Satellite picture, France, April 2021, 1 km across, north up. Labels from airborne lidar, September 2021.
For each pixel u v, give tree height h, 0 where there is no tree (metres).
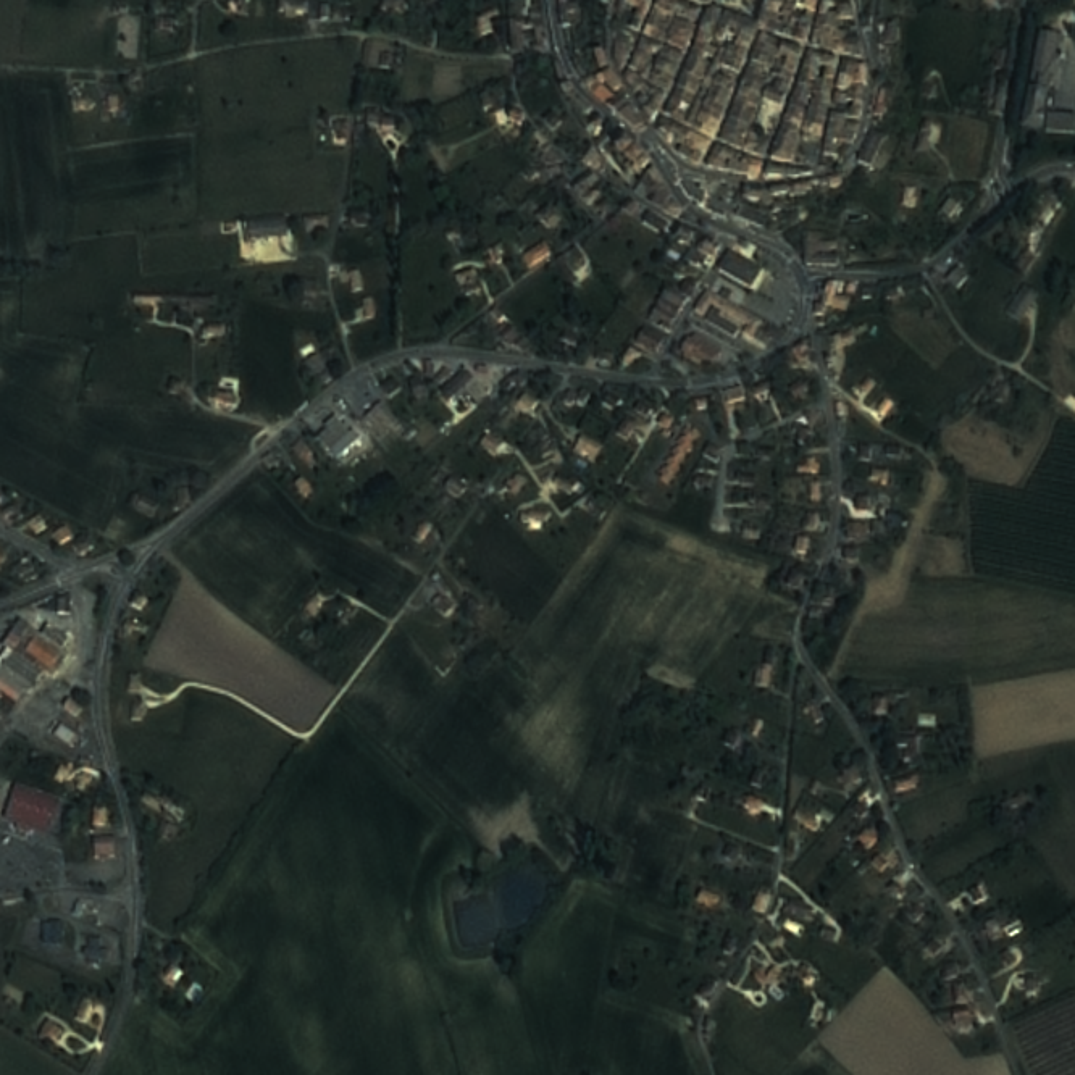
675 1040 0
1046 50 0
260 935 0
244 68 0
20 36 0
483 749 0
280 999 0
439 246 0
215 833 0
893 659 0
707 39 0
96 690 0
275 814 0
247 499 0
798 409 7
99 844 0
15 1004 6
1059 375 0
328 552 0
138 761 0
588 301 0
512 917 0
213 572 0
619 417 10
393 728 0
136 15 0
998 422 6
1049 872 0
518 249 0
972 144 0
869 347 0
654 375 0
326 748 0
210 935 0
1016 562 6
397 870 0
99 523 0
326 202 0
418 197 0
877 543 8
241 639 0
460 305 11
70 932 0
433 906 0
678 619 0
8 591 8
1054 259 0
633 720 16
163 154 0
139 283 0
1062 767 0
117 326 0
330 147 5
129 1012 0
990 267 0
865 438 0
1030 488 7
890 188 0
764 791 7
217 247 0
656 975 0
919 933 7
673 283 6
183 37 5
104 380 0
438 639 0
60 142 0
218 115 0
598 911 0
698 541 0
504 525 0
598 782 0
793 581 0
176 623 0
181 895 0
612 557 0
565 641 0
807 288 0
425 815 0
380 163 0
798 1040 0
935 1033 0
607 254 0
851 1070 0
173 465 0
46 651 0
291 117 0
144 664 0
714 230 0
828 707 8
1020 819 11
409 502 11
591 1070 0
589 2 8
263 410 0
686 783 10
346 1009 0
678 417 0
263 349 0
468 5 12
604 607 0
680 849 0
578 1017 0
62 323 0
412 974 0
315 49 0
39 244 0
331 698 0
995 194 0
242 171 0
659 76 0
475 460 8
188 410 11
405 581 0
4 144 0
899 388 0
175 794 9
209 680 0
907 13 0
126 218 0
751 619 0
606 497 7
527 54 7
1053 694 0
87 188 0
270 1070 0
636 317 0
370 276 0
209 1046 0
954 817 0
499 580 0
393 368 6
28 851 0
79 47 0
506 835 0
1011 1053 0
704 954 9
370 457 0
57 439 0
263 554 0
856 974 0
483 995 0
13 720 0
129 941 0
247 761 0
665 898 0
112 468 0
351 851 0
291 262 0
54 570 0
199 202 0
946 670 0
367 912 0
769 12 0
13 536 0
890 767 10
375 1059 0
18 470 0
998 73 7
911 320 0
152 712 0
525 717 0
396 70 10
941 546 0
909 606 0
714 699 8
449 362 0
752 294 13
